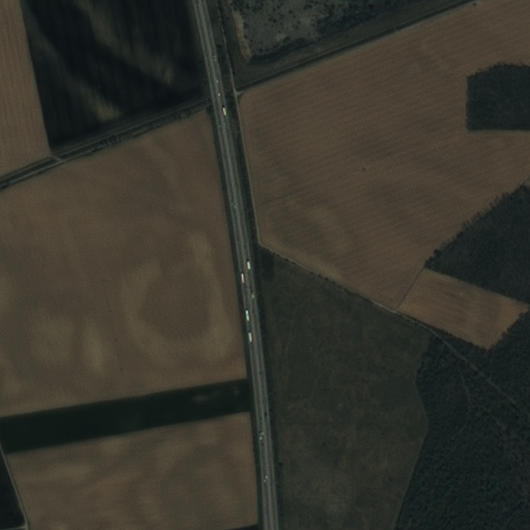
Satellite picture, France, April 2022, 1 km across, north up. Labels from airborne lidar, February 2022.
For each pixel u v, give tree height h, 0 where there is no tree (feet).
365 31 0
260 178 0
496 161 0
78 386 0
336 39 0
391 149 0
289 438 0
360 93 0
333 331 0
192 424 0
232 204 0
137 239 0
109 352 0
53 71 0
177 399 0
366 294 0
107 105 0
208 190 0
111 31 0
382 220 0
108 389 0
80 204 0
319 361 0
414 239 0
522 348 33
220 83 0
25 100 0
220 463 0
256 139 0
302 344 0
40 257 0
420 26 0
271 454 0
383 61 0
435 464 29
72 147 0
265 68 0
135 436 0
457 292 0
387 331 0
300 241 0
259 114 0
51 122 0
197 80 0
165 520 0
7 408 0
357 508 0
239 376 0
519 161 0
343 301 0
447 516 20
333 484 0
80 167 0
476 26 0
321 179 0
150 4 0
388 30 0
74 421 0
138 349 0
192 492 0
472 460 21
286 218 0
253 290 0
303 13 0
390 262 0
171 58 0
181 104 0
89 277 0
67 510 0
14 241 0
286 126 0
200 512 0
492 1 0
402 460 0
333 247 0
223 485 0
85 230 0
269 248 0
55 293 0
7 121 0
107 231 0
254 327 0
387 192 0
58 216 0
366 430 0
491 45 0
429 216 0
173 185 0
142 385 0
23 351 0
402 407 0
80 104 0
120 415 0
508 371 29
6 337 0
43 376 0
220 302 0
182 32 0
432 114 0
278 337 0
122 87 0
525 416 43
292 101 0
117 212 0
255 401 0
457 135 0
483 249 31
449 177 0
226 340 0
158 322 0
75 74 0
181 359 0
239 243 0
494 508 33
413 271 0
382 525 0
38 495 0
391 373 0
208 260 0
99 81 0
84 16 0
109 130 0
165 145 0
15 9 0
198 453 0
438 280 0
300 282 0
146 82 0
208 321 0
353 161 0
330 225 0
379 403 0
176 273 0
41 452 0
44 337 0
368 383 0
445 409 27
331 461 0
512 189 0
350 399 0
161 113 0
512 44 0
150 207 0
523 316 26
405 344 0
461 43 0
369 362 0
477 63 0
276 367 0
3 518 0
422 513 47
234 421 0
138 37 0
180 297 0
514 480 43
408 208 0
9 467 0
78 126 0
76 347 0
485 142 0
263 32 0
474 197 0
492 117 45
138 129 0
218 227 0
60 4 0
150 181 0
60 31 0
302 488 0
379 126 0
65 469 0
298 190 0
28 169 0
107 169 0
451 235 0
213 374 0
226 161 0
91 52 0
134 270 0
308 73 0
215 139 0
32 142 0
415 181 0
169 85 0
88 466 0
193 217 0
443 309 0
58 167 0
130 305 0
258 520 0
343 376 0
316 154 0
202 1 0
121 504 0
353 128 0
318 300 0
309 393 0
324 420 0
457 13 0
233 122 0
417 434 0
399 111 0
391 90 0
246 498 0
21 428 0
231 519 0
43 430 0
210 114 27
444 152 0
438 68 0
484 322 0
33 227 0
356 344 0
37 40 0
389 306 0
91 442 0
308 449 0
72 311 0
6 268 0
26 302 0
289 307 0
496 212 57
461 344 31
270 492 0
